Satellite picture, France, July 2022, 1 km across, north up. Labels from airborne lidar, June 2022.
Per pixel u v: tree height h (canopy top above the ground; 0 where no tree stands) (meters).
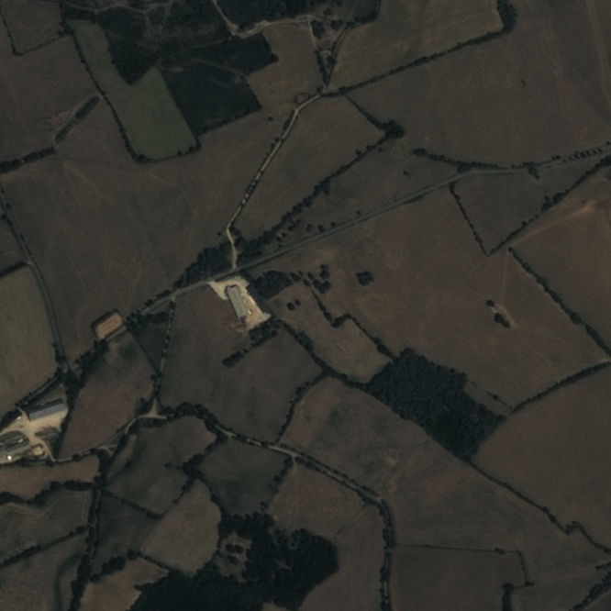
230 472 0
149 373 0
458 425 6
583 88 0
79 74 0
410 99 0
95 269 0
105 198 0
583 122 0
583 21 0
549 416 0
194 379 0
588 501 0
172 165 0
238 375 0
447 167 0
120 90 0
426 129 0
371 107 0
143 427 7
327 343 0
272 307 0
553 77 0
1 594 0
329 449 0
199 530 0
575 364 0
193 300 0
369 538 0
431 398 15
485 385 0
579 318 10
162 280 0
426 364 15
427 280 0
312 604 0
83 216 0
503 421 12
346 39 0
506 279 0
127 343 0
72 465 0
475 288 0
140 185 0
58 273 0
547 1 0
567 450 0
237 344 0
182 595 22
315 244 0
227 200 0
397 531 0
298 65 0
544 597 0
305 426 0
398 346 0
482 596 0
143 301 0
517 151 0
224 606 18
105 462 18
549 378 0
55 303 0
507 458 0
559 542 0
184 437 0
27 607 0
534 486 0
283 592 19
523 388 0
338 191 0
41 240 0
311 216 0
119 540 0
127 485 0
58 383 13
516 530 0
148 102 0
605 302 0
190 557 0
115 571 16
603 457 0
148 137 0
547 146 0
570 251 0
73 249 0
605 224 0
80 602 12
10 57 0
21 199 0
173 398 0
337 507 0
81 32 0
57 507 0
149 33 0
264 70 0
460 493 0
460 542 0
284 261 0
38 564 0
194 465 17
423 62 11
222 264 14
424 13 0
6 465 7
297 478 0
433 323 0
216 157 0
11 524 0
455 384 16
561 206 0
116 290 0
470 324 0
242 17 15
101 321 10
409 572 0
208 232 0
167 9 0
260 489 0
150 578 0
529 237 0
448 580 0
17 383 0
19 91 0
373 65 0
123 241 0
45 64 0
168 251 0
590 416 0
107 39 0
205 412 17
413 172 0
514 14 12
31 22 0
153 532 0
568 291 0
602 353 0
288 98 0
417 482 0
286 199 0
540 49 0
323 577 15
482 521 0
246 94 0
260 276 0
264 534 19
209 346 0
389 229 0
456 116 0
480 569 0
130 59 6
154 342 0
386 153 0
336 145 0
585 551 0
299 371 0
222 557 17
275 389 0
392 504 0
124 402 0
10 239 0
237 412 0
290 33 0
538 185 0
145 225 0
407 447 0
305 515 0
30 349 0
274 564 19
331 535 0
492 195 0
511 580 0
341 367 0
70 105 0
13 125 0
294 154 0
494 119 0
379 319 0
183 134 0
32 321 0
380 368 0
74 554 0
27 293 0
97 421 0
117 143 0
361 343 0
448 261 0
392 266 0
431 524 0
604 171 0
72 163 0
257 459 0
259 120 0
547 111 0
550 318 0
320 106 0
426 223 0
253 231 0
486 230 0
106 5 0
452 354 0
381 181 0
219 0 16
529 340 0
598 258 0
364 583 0
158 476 0
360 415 0
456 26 0
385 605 13
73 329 0
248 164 0
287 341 0
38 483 0
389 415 0
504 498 0
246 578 17
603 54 0
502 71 0
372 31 0
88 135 0
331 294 0
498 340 0
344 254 0
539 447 0
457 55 0
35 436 0
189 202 0
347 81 0
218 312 0
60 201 0
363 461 0
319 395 0
